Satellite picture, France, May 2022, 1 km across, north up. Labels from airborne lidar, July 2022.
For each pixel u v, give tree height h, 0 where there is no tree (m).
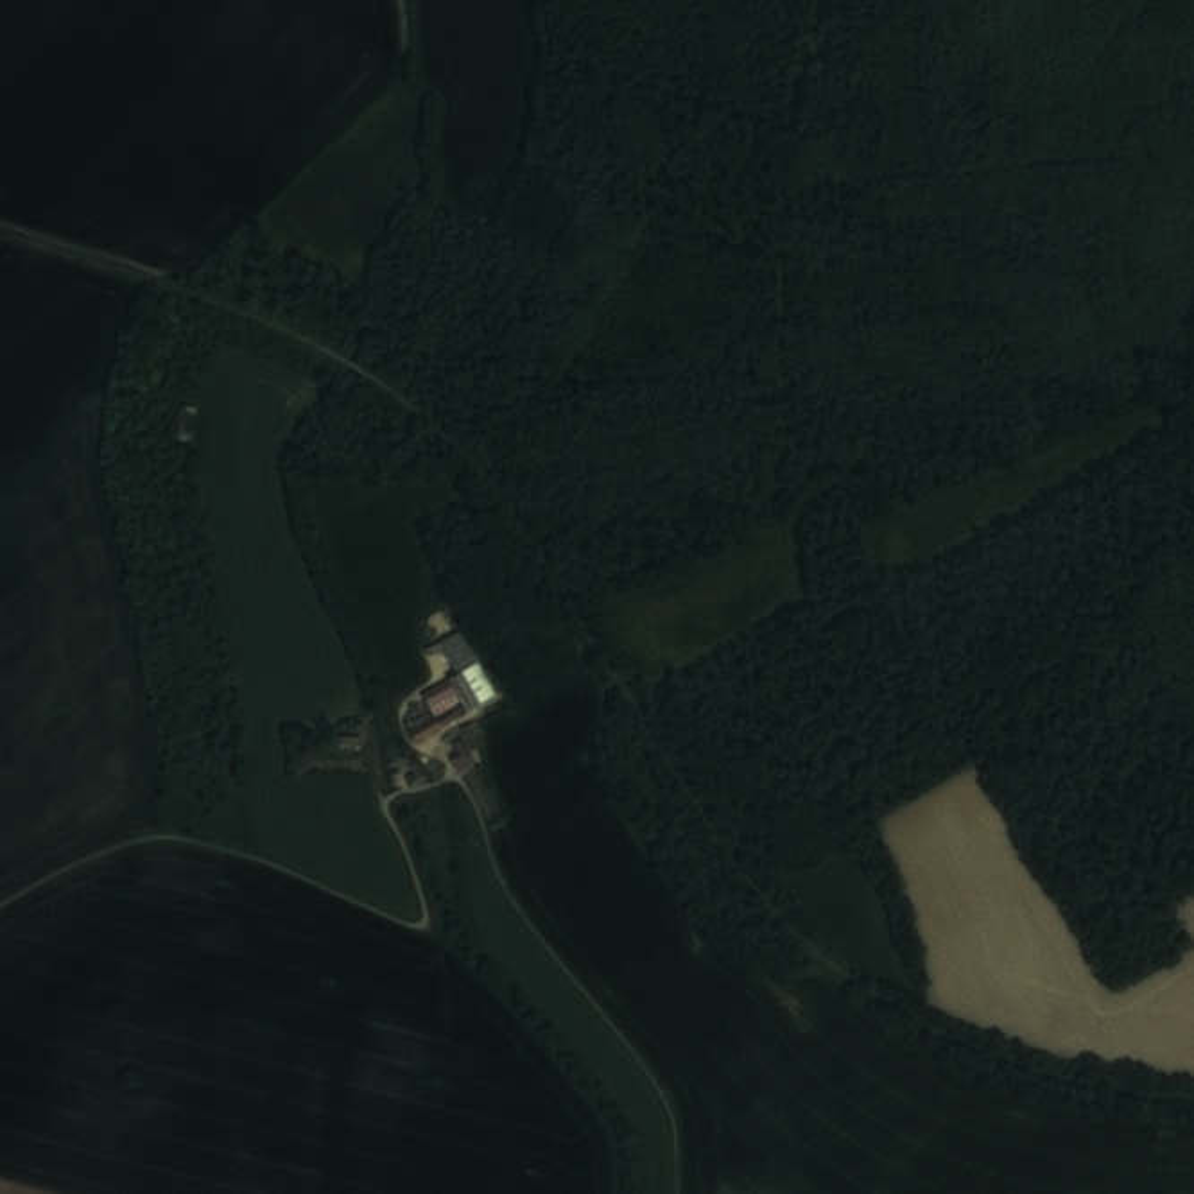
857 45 32
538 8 22
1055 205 22
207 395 0
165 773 9
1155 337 21
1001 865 0
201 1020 0
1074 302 18
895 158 9
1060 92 18
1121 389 26
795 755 12
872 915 0
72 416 0
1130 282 20
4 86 0
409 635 0
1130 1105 20
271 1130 0
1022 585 26
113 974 0
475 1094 0
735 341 27
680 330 15
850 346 21
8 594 0
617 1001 0
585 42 17
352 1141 0
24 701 0
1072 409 24
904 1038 16
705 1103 0
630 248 18
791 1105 0
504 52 0
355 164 0
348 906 0
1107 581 28
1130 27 14
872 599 32
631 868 0
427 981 0
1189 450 28
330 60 0
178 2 0
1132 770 21
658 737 18
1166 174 17
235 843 0
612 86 27
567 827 0
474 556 30
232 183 0
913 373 21
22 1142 0
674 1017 0
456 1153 0
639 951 0
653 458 26
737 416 22
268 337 7
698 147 32
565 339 28
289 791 0
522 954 0
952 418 25
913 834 0
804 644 26
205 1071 0
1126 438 0
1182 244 20
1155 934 25
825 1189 0
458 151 0
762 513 14
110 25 0
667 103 31
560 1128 0
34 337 0
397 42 0
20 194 0
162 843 0
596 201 23
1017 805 22
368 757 0
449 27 0
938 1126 0
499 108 0
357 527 0
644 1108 0
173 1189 0
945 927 0
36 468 0
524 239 24
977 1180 0
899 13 25
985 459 27
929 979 13
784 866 23
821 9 11
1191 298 19
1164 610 24
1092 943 24
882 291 15
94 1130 0
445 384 23
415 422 18
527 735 0
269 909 0
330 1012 0
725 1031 0
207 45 0
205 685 16
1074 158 15
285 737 14
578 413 33
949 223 25
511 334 24
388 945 0
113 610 0
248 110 0
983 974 0
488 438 26
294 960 0
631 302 17
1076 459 0
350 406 23
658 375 15
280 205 0
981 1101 0
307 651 0
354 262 0
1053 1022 0
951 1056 21
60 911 0
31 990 0
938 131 26
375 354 19
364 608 0
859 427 26
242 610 0
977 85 20
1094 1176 0
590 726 0
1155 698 23
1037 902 0
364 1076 0
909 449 26
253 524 0
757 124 30
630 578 20
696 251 13
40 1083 0
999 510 0
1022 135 21
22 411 0
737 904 24
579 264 24
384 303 22
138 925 0
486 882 0
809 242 26
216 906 0
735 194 19
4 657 0
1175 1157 0
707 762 28
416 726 0
